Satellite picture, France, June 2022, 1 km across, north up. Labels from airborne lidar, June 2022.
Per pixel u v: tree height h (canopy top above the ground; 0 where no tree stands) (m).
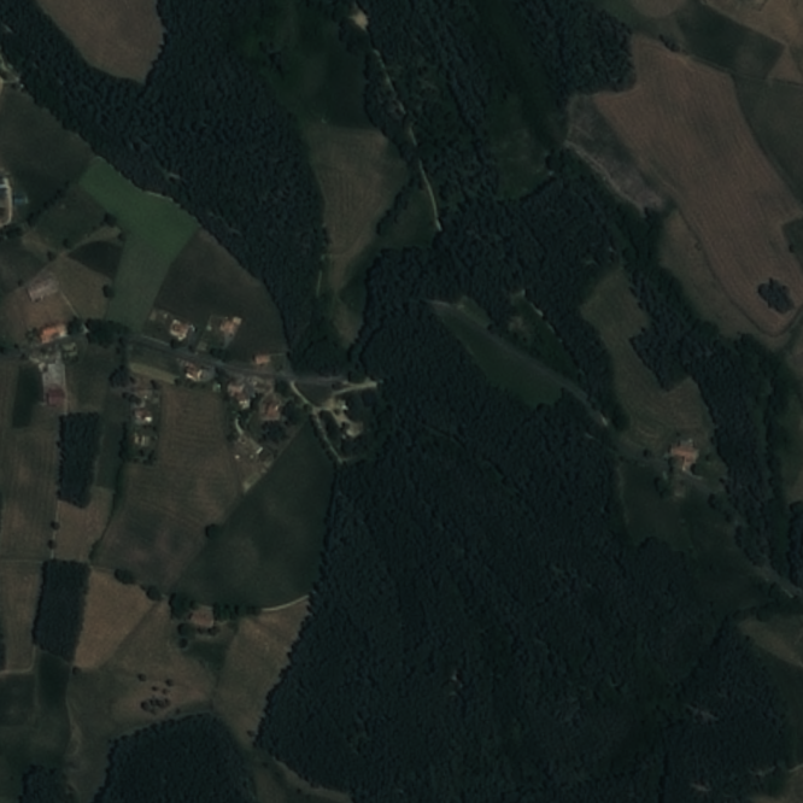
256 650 0
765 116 0
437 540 26
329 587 27
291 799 0
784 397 21
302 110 0
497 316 23
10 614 0
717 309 0
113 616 0
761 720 22
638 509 0
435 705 33
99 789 0
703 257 0
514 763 16
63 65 27
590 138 0
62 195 11
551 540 23
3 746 0
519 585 28
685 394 0
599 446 19
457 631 35
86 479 15
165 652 0
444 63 30
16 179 0
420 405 28
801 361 0
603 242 25
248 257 19
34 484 0
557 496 27
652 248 20
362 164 0
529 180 0
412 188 16
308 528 0
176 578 0
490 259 37
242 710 0
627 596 19
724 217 0
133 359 0
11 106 0
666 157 0
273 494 0
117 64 0
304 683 26
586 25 26
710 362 22
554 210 30
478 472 13
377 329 20
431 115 17
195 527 0
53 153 0
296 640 0
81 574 20
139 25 0
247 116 35
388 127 24
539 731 25
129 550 0
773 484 24
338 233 0
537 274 30
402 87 22
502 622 31
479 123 30
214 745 21
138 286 0
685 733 21
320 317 20
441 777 33
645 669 27
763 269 0
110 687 0
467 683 36
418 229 0
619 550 30
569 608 31
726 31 0
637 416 0
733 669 28
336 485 13
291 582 0
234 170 29
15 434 0
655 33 0
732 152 0
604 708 22
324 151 0
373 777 26
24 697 0
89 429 20
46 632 22
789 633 0
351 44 15
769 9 0
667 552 29
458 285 16
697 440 0
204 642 0
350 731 20
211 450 0
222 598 0
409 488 27
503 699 23
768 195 0
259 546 0
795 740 7
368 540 31
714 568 11
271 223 22
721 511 25
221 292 0
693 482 0
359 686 21
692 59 0
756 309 0
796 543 14
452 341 30
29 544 0
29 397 0
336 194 0
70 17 0
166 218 0
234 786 26
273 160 32
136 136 32
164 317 0
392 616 30
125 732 0
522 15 12
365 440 19
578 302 18
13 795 0
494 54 18
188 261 0
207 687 0
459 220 33
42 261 0
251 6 20
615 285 0
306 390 0
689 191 0
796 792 0
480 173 31
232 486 0
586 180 17
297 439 0
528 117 7
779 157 0
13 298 0
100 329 21
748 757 20
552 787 22
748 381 22
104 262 0
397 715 28
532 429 29
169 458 0
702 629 27
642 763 13
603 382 23
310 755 22
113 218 21
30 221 13
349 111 0
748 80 0
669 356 12
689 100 0
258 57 7
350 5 23
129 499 0
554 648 27
